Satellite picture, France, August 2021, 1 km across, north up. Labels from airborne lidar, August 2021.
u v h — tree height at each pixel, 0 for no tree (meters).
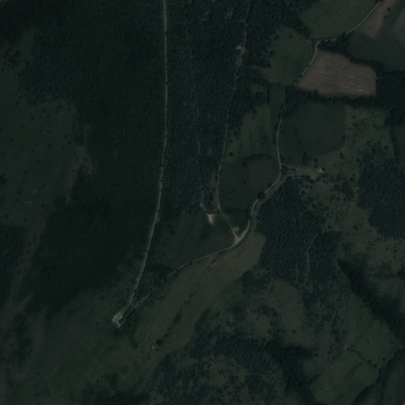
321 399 0
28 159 0
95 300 0
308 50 0
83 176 6
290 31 0
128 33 9
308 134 0
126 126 8
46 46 15
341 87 0
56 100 12
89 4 6
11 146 0
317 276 7
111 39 8
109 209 16
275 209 11
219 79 16
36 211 0
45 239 5
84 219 7
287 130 0
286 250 11
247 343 8
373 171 12
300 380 19
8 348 0
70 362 0
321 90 0
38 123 0
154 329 0
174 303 0
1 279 6
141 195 7
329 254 8
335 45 7
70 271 8
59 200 6
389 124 12
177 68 17
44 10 11
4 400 0
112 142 13
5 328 0
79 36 6
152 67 6
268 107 0
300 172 0
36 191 0
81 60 7
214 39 12
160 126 7
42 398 0
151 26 12
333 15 0
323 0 0
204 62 14
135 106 9
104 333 0
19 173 0
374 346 0
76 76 13
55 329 0
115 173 7
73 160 0
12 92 0
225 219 0
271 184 9
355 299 0
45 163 0
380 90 11
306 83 0
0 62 0
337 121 0
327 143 0
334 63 0
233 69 7
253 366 7
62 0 22
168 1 6
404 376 0
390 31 0
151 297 8
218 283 0
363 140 0
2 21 10
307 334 0
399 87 17
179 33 11
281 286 0
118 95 6
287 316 0
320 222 10
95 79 5
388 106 17
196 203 7
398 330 16
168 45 5
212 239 0
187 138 6
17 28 15
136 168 6
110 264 8
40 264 6
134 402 9
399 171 12
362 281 22
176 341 0
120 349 0
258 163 0
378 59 0
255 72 11
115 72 9
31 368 0
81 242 6
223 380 0
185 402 6
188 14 11
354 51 0
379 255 0
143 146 8
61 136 0
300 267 10
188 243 0
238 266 0
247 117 0
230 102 7
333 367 0
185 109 7
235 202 0
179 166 9
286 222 6
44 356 0
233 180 0
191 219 0
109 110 12
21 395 0
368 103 16
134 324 10
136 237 7
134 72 10
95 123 9
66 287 7
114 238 7
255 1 24
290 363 23
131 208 7
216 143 9
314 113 0
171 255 0
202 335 7
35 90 8
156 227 8
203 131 8
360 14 0
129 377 0
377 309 20
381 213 11
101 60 6
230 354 11
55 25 7
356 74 0
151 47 17
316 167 6
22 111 0
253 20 22
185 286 0
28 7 19
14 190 0
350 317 0
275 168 0
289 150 0
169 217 9
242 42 10
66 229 6
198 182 12
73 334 0
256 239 0
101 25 8
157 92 7
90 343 0
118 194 6
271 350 17
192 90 10
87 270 7
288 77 0
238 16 24
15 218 0
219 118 10
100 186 6
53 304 8
